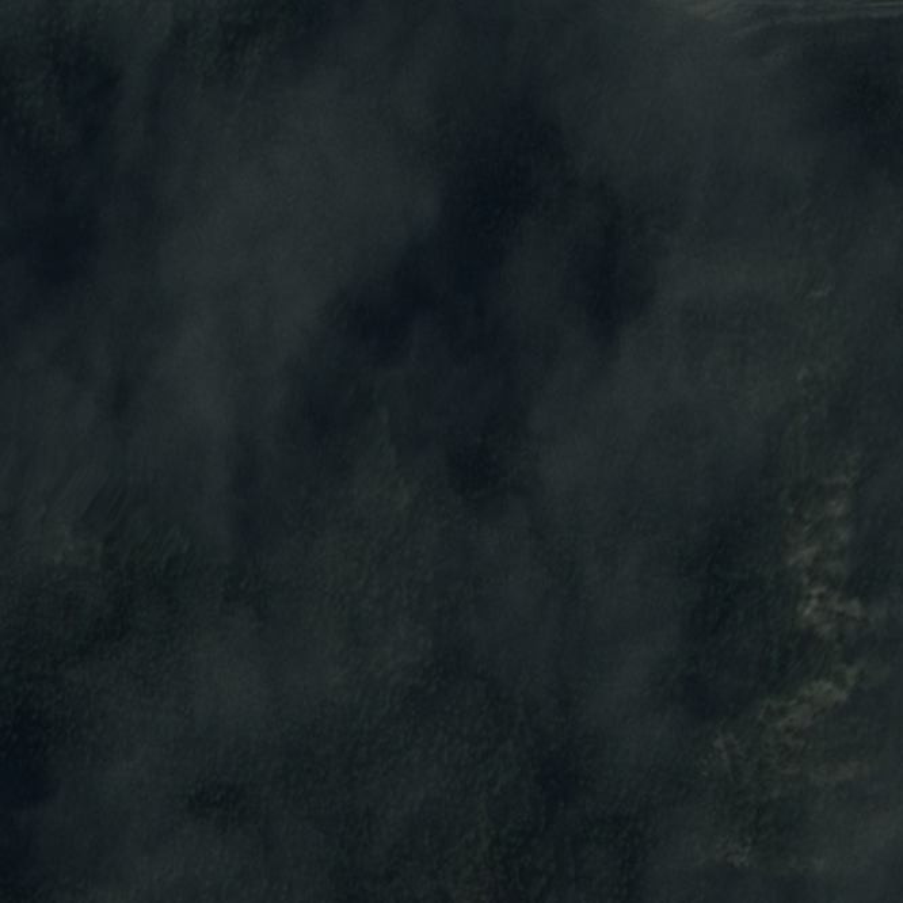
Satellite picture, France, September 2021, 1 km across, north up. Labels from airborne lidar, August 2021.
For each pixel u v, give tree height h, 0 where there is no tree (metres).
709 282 21
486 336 27
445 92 10
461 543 14
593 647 15
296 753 21
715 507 24
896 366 27
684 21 0
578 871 21
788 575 12
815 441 13
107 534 12
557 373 28
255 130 30
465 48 8
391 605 20
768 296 25
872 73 12
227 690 29
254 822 28
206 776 22
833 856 18
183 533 11
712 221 0
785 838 27
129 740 19
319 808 25
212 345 18
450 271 26
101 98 23
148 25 11
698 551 19
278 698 24
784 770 10
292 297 23
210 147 29
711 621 25
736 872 15
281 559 24
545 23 11
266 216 13
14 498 11
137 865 20
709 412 17
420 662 25
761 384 29
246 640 20
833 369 8
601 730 27
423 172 28
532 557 26
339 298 25
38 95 34
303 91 10
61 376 11
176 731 22
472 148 34
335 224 25
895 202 22
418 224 25
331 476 23
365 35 17
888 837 14
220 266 32
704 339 26
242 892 36
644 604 27
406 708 18
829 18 0
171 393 18
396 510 7
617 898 25
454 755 33
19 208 23
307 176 26
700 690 12
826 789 6
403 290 22
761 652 18
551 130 27
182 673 25
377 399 7
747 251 16
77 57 17
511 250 33
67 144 12
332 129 25
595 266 19
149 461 17
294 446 10
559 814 24
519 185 29
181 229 36
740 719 19
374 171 27
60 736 20
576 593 23
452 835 26
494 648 13
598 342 28
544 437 11
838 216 26
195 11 26
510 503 15
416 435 10
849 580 7
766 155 0
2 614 27
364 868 12
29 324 19
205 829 22
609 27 0
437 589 11
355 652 27
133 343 36
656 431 19
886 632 0
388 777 20
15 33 28
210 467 33
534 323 32
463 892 8
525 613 27
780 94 13
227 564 19
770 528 21
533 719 24
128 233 19
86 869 11
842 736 7
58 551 17
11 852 33
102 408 16
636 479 26
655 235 27
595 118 13
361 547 20
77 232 32
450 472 22
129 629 24
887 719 9
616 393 32
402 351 8
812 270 11
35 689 22
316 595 23
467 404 13
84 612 32
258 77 11
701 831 13
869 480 12
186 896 8
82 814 24
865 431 21
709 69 0
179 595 28
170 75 23
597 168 32
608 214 31
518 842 13
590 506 21
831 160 15
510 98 13
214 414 17
